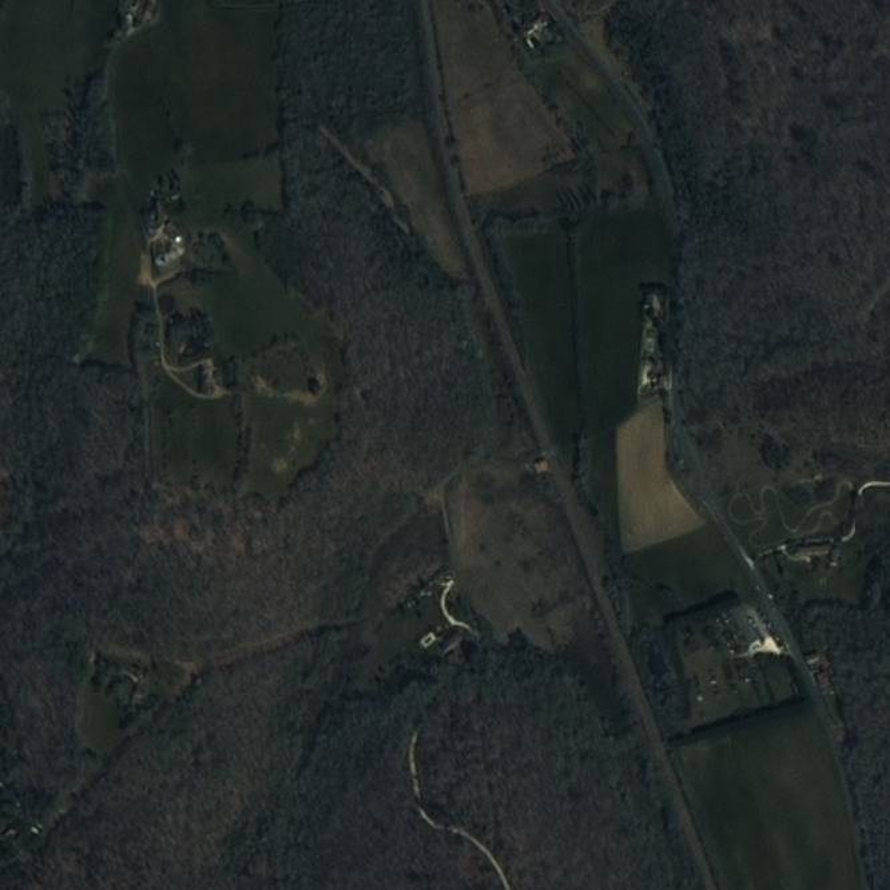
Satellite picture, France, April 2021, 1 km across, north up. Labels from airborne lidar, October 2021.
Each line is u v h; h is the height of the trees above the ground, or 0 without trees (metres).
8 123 22
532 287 0
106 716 0
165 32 0
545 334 0
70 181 17
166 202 6
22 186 8
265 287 0
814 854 0
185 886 20
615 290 0
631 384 0
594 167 8
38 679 21
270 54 0
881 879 25
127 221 0
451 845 11
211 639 22
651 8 22
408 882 13
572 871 15
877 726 29
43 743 24
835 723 0
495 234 19
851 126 20
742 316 20
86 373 19
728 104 19
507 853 12
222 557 21
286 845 24
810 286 18
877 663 18
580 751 18
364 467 21
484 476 0
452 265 0
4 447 22
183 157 15
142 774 20
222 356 0
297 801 27
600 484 0
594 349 0
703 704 0
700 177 14
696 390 23
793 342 16
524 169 0
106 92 17
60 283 25
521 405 8
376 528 25
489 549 0
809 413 12
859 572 0
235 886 12
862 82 13
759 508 0
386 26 6
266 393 0
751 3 20
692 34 16
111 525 23
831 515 0
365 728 26
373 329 22
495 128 0
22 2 0
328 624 18
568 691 28
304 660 20
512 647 10
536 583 0
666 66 12
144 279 0
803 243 16
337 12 12
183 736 19
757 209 20
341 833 20
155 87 0
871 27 12
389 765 19
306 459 0
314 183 23
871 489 6
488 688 19
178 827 19
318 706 14
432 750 16
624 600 15
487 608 0
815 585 0
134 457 12
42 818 16
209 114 0
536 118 0
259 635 17
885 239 24
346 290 21
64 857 9
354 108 13
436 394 20
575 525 0
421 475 20
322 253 21
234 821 22
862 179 23
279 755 22
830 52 18
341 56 10
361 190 23
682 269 20
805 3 15
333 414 0
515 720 21
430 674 19
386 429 17
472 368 21
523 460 0
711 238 17
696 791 0
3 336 28
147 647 18
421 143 0
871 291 15
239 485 14
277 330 0
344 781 19
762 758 0
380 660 0
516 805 13
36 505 9
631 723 16
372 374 20
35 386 19
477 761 8
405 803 19
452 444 17
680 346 20
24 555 21
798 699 6
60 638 17
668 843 19
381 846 18
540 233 13
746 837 0
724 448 0
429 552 0
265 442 0
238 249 0
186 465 0
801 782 0
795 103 16
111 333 0
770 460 16
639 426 0
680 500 0
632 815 26
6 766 19
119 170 18
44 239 30
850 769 18
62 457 22
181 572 21
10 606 19
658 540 0
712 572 0
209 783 23
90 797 18
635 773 11
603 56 0
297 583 18
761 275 18
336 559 17
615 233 0
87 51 0
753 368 19
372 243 19
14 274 25
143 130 0
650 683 7
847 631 19
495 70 0
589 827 19
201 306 0
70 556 17
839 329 17
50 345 19
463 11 0
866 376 7
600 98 0
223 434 0
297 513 23
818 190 21
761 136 16
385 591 0
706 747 0
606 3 20
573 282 6
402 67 6
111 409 26
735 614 0
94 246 27
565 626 0
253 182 0
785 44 21
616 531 0
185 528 21
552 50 15
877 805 24
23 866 8
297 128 22
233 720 21
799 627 7
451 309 24
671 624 14
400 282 17
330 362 0
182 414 0
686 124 15
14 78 0
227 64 0
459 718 7
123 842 11
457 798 13
